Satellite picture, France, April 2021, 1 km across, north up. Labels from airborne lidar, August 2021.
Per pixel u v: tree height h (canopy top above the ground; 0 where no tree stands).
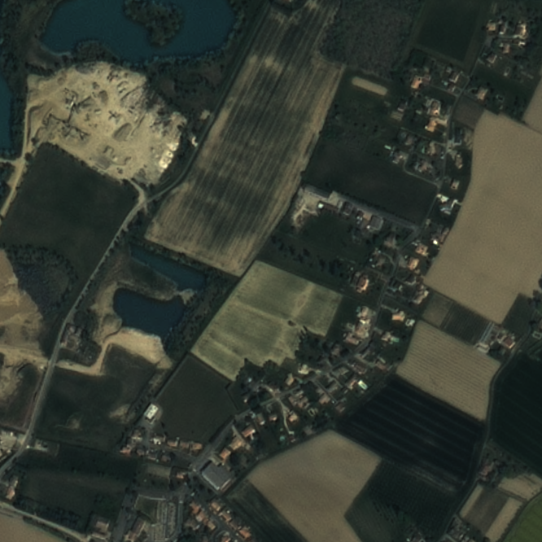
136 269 0
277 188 0
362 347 0
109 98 0
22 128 12
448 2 0
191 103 0
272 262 0
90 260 0
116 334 0
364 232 12
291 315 0
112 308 0
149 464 0
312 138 0
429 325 0
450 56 0
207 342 0
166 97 14
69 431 0
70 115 0
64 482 0
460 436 0
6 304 0
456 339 0
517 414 0
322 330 0
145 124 0
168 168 0
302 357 7
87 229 0
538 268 0
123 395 0
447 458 0
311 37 0
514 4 6
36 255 0
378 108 0
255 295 0
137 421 7
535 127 0
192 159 0
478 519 0
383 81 0
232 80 0
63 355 0
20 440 0
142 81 0
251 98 0
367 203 5
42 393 0
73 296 0
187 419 0
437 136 0
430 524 15
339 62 13
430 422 0
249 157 0
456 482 0
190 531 9
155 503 0
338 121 9
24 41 0
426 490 14
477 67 0
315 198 0
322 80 0
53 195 0
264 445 13
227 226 0
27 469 9
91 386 0
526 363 0
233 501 0
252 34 0
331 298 0
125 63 13
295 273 0
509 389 0
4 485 0
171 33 17
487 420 0
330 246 0
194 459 0
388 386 0
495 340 11
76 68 0
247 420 9
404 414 0
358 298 0
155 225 0
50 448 0
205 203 0
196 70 17
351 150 0
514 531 0
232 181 0
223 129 0
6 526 0
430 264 12
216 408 0
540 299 17
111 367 0
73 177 0
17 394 0
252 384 0
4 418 0
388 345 0
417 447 0
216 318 0
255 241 0
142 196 0
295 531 0
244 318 0
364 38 16
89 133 0
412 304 8
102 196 0
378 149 0
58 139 0
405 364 0
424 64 6
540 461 0
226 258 0
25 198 0
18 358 0
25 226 0
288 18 0
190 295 0
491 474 8
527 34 11
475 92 8
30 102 0
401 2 13
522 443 0
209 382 0
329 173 0
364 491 0
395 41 14
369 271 7
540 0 12
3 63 7
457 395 0
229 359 0
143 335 0
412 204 0
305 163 0
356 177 0
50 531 12
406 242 0
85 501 0
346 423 0
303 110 0
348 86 0
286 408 0
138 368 0
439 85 0
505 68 0
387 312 0
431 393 0
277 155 0
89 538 0
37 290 0
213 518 0
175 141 0
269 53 0
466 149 0
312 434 0
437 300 0
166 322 0
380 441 0
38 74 13
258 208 0
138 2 9
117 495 0
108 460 0
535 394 0
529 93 0
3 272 0
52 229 0
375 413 0
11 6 10
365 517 0
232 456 9
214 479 0
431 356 0
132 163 0
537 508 0
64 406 0
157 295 0
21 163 0
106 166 0
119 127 0
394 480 9
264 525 0
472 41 0
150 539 0
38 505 17
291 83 0
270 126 0
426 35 0
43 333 0
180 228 0
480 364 0
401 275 0
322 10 0
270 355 0
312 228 0
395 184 0
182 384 0
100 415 0
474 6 0
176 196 0
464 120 0
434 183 0
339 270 23
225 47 8
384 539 0
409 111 6
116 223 0
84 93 0
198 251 0
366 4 13
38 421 0
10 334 0
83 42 12
